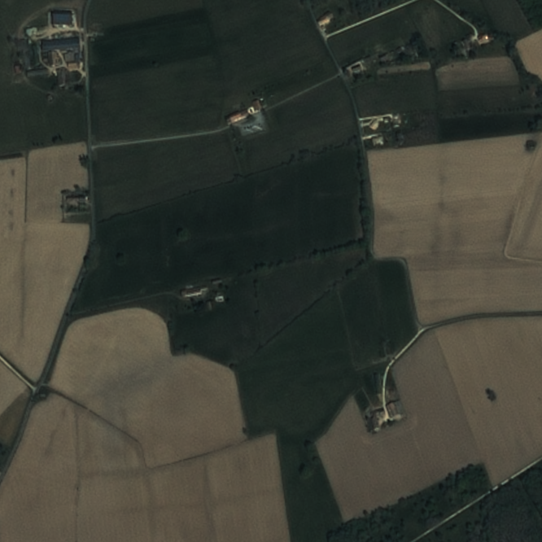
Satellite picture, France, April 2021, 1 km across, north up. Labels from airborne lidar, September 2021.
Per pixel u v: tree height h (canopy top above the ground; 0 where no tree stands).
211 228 0
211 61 0
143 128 0
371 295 0
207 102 0
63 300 0
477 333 0
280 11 0
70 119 0
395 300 0
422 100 0
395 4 10
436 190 0
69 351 0
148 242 0
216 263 0
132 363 0
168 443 0
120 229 0
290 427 0
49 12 0
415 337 0
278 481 0
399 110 0
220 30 0
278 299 0
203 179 0
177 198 0
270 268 10
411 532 0
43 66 10
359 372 0
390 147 0
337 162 0
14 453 0
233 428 0
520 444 0
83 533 0
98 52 0
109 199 0
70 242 0
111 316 0
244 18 0
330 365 0
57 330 0
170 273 0
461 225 0
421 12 0
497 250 0
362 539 15
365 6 14
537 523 21
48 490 0
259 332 0
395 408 0
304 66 0
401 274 0
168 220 0
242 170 0
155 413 0
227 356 0
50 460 0
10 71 0
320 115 0
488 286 0
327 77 0
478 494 9
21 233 0
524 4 23
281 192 0
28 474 0
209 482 0
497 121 0
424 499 7
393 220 0
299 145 0
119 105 0
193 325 0
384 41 0
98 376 0
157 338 0
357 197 0
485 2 0
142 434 0
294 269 0
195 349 0
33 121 0
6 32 0
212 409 0
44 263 0
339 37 0
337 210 0
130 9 0
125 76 0
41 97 0
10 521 0
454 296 0
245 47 0
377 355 0
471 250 0
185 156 0
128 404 0
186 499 0
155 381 0
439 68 7
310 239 0
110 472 0
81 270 0
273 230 0
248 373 0
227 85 0
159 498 0
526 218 0
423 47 24
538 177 0
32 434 0
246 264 0
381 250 0
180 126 0
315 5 15
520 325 0
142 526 0
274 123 0
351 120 0
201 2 0
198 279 0
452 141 0
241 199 0
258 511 0
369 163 0
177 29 0
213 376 0
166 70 0
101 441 0
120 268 0
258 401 0
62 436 0
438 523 16
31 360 0
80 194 11
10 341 0
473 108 0
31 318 0
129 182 0
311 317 0
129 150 0
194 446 0
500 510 16
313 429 0
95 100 0
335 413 0
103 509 0
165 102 0
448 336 0
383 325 0
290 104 0
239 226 0
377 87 0
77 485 0
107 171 0
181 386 0
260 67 0
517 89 0
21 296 0
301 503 0
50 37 0
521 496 17
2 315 0
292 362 0
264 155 0
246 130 0
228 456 0
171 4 0
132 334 0
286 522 0
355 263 0
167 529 0
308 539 0
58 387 0
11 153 0
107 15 0
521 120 0
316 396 0
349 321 0
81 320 0
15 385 0
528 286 0
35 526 0
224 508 0
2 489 0
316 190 0
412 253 0
